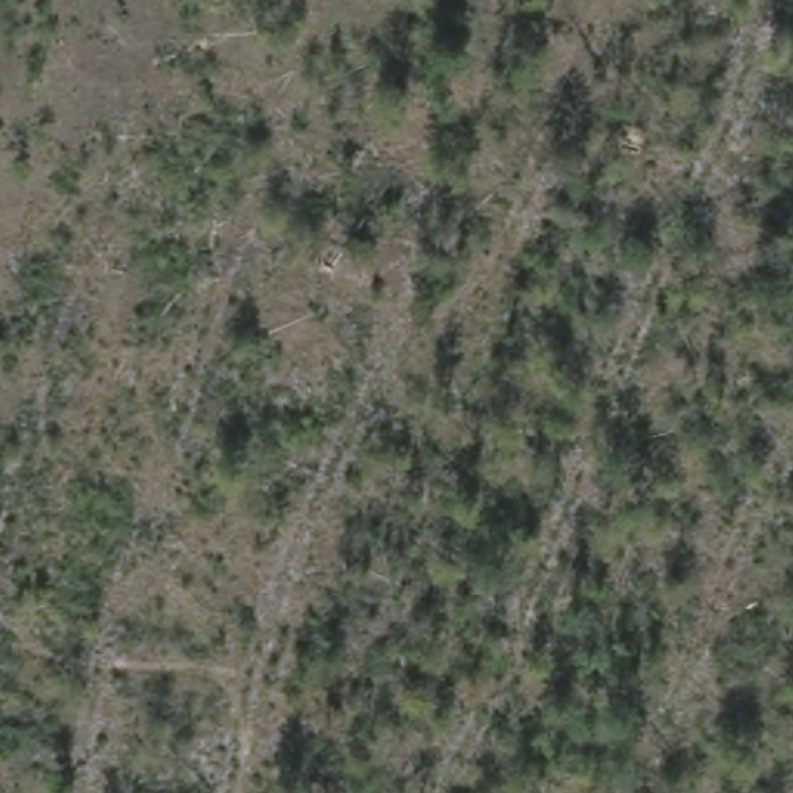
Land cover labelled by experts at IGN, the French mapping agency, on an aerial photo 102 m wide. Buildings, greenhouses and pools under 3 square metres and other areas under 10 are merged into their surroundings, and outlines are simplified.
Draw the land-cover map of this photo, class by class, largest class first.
<instances>
[{"label":"deciduous trees","instance_id":"1","mask_svg":"<svg viewBox=\"0 0 793 793\"><path fill-rule=\"evenodd\" d=\"M669 19L678 31L657 40L647 53H635L632 37L641 28L632 19L613 28L604 50L592 59V68L598 81H604L607 68H616V90L607 99H595L592 108L595 115L623 121L629 130H641L647 127L654 102L672 99L675 87L694 90L697 108L685 121L678 149L657 146V164L672 173L691 170L703 183L706 195L666 201L641 198L632 208L601 201L598 180L607 167L598 161L585 173V198L570 195L564 186L548 189V198L558 208L585 217V226L561 229L558 223L542 220L539 235L524 242L520 254L514 257L511 279L502 291L508 322L493 341L489 356L493 397L477 403L465 400L462 409L465 415H471V446H443L440 455H427L421 462L424 480H412L406 474L403 489L381 493L378 502L372 499L359 505L356 514L344 517L335 585L325 589V604L331 610L307 607L300 626H279L276 651L263 666V688H279L288 697L291 716L282 728L276 756L254 762L248 793H793V0H747L743 15L731 25L722 15L697 9L694 0H669L666 6L651 9V22ZM561 34V19L542 12H511L508 19H502L489 68L483 74H471L458 56H443L434 46V34L427 28H412L406 93L381 90L378 74L372 71L362 77V96H353V87L344 90L341 112L328 115V158L341 167V177L322 189L291 195V177L285 173L269 177L263 211L266 217H288V226L279 242H285V248H297V257H316L322 263V276H335L359 288L372 285V276L362 266V260L375 251L372 220L378 214H387L393 204L418 226L421 257L412 276V300L421 310L434 313L437 304L465 279L468 260L474 254H489V217L477 211L468 177L471 155L480 149L474 127H489L496 133V142L508 136V130L542 127L548 133L551 112L545 105L554 96V87L542 84V59L548 37ZM71 728L59 716L25 719L0 712V793H71ZM105 793H214V784L208 778L183 787H167V781L142 784L133 771H121L118 765H112L105 768Z\"/></svg>","mask_w":793,"mask_h":793},{"label":"coniferous trees","instance_id":"2","mask_svg":"<svg viewBox=\"0 0 793 793\"><path fill-rule=\"evenodd\" d=\"M25 28L56 31L59 15L53 12V0H0V37H15ZM173 6L180 9V28L186 34H201L198 46L204 53L192 56L180 46L158 43L155 56L164 71H183L198 84L204 112L192 115L180 99L155 102L152 93H142L146 146L130 149V158L133 164H142L146 158L158 164L164 208L158 211L127 204V217H146L161 226L223 220V214L235 211V204L245 195L242 186L254 173L269 170V177L285 173L276 149L269 146V127L260 99L232 105L226 96L214 90V50L229 40H251L254 31H263L266 37L291 34L307 15L304 0H173ZM669 0H403L375 31L344 25L335 28L328 40L307 43L304 81L316 84L325 93L328 115L341 112L344 90L353 87V96H362V77L372 71L378 74L381 90L406 93L412 28H427L434 34V46L443 56H458L471 74H483L489 68L502 19H508L511 12H542L561 19V34L548 37L542 59V84L554 87V96L545 105L551 112L548 133L542 127L508 130V136L496 142V133L489 127H474L480 149L471 155L468 177L477 211L489 217V254H474L468 260L465 279L437 304L434 313L421 310L412 300V276L421 257L418 226L393 204L387 214H378L372 220L375 251L362 260V266L372 276V285L359 288L356 307L347 316H338L331 331L335 341L347 350V362L344 369L328 372V397L310 403H300L291 384L263 381V366L279 369L282 341L260 325L254 300L229 294V335L220 341L214 362L239 369L242 378L220 381L217 375L204 372L195 424L211 427L214 434L198 449H186L183 483L173 493L177 499H186L189 508L146 520L133 514L130 486L139 480V468L149 455V437H142L133 415L152 409V421L158 424V431H164L167 437H180L189 406L180 403L177 412H170L167 387L152 384V390L136 393L124 384L118 393L108 397L99 434H90V427L62 431V381L68 375L90 378L96 366L90 347L81 341L77 325H68L65 341L53 338L62 300L71 288V276H65L40 251L22 257V294L12 300L0 294V712L25 719L59 716L71 728V793H105V768L112 765H118L121 771H133L142 784L167 781V787H183L208 778L214 784V793H248L254 762L276 756L282 728L291 716L288 697L279 688H263V666L276 651L279 626H300L307 607L331 610L325 604V589L335 585L344 517L356 514L359 505L372 499L378 502L381 493L403 489L406 474L412 480H424L421 462L427 455H440L443 446H471V415H465L462 409L465 400L477 403L493 397L489 356L493 341L508 322L502 291L511 279L514 257L520 254L524 242L539 235L542 220L558 223L561 229L585 226V217L558 208L548 198V189L564 186L570 195L585 198V173L598 161L607 167L598 180L601 201L632 208L641 198L666 201L706 195L703 183L691 170L672 173L657 164V146L678 149L685 121L697 108L694 90L675 87L672 99L654 102L647 127L641 130H629L623 121L595 115L592 108L595 99H607L616 90V68H607L604 81H598L592 68V59L604 50L613 28L632 19L641 28L632 37L635 53H647L657 40L678 31L669 19L651 22V9L666 6ZM697 9L722 15L731 25L743 15L747 0H694ZM53 108H40L34 118H22L19 124L0 121V158L6 152H15L19 164H28V149L46 139L50 133ZM96 130L102 133L99 139L81 142V149L68 146L65 139L59 142V170L53 173V186L62 195L77 192L81 173L90 161L102 158L105 152H115L118 136L112 124L96 121ZM115 269L133 266L142 273L146 297L136 304V310L124 316L121 347H170L177 322L186 316L189 294L195 291V279L214 276L211 248L204 239L198 251H189L186 239H152L146 229H136L130 235V251L112 257Z\"/></svg>","mask_w":793,"mask_h":793},{"label":"herbaceous vegetation","instance_id":"3","mask_svg":"<svg viewBox=\"0 0 793 793\"><path fill-rule=\"evenodd\" d=\"M53 12L59 15L56 31L25 28L15 37H0V121L19 124L22 118H34L40 108H53L50 133L46 139L28 149V164H19L15 152H6L0 158V294L12 300L22 294V257L40 251L65 276H71V288L62 300L53 338L65 341L68 325H77L81 341L90 347L96 366L90 378L68 375L62 381V431L90 427V434H99L108 397L118 393L124 384L136 393L152 390V384L167 387L170 412H177L180 403L189 406L180 437H167L164 431H158V424L152 421V409L133 415L142 437H149V455L139 468V480L130 486L133 514L146 520L189 508L186 499H177L173 493L183 483L186 449H198L214 434L211 427L195 424L204 372L217 375L220 381L242 378L239 369L214 362L220 341L229 335V294L254 300L260 325L282 341L279 369L263 366V381L291 384L300 403H310L328 397V372L344 369L347 362V350L335 341L331 331L338 316H347L356 307L359 288L335 276H322V263L316 257H297V248H285V242H279L288 226V217H266L263 211L269 177V170L254 173L242 186L245 195L235 204V211L223 214V220L161 226L146 217H127V204L158 211L164 208L158 164L146 158L142 164H133L130 158V149L146 146L142 93H152L155 102L180 99L192 115L204 112L198 84L183 71H164L155 56L158 43L180 46L192 56L204 53L198 46L201 34H186L180 28V9L173 6V0H53ZM96 121L112 124L118 136L115 152H105L102 158L90 161L81 173L77 192L62 195L53 186V173L59 170V142L65 139L68 146L81 149V142L99 139L102 133L96 130ZM136 229H146L152 239H186L189 251H198L204 239L211 248L214 276L195 279V291L189 294L186 316L177 322L170 347H121L124 316L136 310V304L146 297L142 273L133 266L115 269L112 257L130 251V235ZM307 15L291 34L266 37L263 31H254L251 40H229L214 50V90L226 96L232 105L260 99L269 127V146L276 149L285 173L291 177V195L322 189L341 177V167L328 158V115L325 93L316 84L304 81L307 43L328 40L335 28L344 25L375 31L403 0H304Z\"/></svg>","mask_w":793,"mask_h":793}]
</instances>
